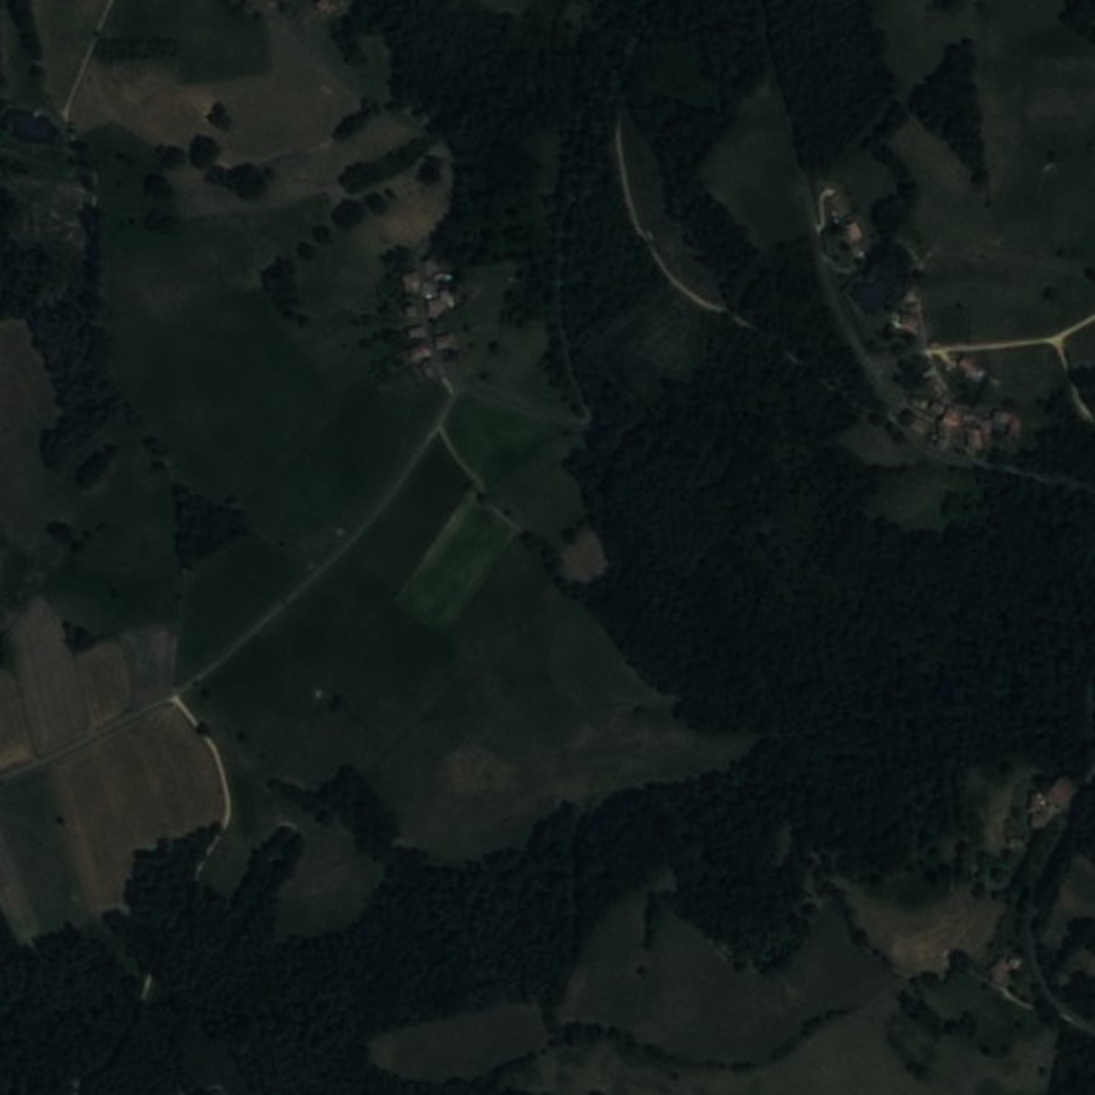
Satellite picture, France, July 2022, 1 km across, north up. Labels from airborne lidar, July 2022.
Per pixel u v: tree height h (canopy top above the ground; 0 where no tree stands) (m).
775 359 6
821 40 21
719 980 0
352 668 0
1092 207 0
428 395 0
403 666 0
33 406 0
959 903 0
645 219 0
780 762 27
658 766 0
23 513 0
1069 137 0
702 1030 0
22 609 0
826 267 0
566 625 0
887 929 0
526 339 0
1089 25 15
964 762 13
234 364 0
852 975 0
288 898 0
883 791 22
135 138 0
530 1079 0
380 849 17
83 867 0
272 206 0
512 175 14
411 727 0
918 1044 0
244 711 0
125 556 0
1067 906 0
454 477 0
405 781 0
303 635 0
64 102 0
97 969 23
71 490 0
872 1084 0
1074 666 23
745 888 23
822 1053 0
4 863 0
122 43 6
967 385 6
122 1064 20
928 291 0
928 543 24
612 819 27
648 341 0
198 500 10
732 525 7
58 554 0
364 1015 15
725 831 25
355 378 0
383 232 0
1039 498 19
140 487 0
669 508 34
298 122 0
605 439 30
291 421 0
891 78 14
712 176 0
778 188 0
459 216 21
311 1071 25
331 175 0
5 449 0
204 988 21
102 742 0
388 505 0
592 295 13
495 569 0
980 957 0
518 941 28
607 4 16
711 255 16
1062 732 29
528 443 0
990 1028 0
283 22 0
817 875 12
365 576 0
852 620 16
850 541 29
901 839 20
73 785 0
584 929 17
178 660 0
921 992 9
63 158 0
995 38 0
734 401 18
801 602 6
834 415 16
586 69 19
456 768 0
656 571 15
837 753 10
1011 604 29
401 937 13
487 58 16
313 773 0
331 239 16
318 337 0
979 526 14
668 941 0
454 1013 9
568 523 0
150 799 0
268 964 24
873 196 0
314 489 0
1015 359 0
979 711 20
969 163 12
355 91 0
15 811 0
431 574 0
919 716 24
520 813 0
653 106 24
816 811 25
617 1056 0
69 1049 31
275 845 16
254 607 0
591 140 22
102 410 17
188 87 0
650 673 12
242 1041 23
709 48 26
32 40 13
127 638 0
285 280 21
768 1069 0
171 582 0
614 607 20
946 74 17
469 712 0
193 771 0
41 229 0
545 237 0
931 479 0
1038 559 28
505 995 15
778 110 0
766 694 19
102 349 19
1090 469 14
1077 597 26
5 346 0
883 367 0
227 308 0
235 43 0
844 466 6
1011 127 0
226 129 14
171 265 0
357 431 0
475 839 0
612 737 0
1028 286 0
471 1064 0
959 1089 0
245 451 0
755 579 15
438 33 12
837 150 12
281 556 0
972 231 0
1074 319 0
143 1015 22
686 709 16
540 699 0
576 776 0
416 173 0
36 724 0
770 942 10
